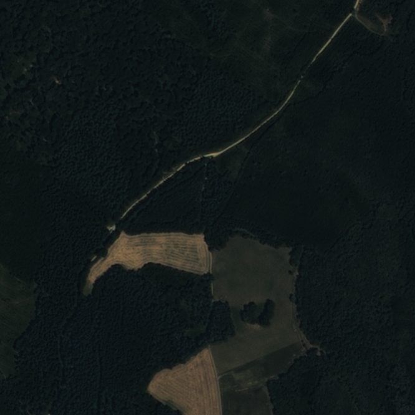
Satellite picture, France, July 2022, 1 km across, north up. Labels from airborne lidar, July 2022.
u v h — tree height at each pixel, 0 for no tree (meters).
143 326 28
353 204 6
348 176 11
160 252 0
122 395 34
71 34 22
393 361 14
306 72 7
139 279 30
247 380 0
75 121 29
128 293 33
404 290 21
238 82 19
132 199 20
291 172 7
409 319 10
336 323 14
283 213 7
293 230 9
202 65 29
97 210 20
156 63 26
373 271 18
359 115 17
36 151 24
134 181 23
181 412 15
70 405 32
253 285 0
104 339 31
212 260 0
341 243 15
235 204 7
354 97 15
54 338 23
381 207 18
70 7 23
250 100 27
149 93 24
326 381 14
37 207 13
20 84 26
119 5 30
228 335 24
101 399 29
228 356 0
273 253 0
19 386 17
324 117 14
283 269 0
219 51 6
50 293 25
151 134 31
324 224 7
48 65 23
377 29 0
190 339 18
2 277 0
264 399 0
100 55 20
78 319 31
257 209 7
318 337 14
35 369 21
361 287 17
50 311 22
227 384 0
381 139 22
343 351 20
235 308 0
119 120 28
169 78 27
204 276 6
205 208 24
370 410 14
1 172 23
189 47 27
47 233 17
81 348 30
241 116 22
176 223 19
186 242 0
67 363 24
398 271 19
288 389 21
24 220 15
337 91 14
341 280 20
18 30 26
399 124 23
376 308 7
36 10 24
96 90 27
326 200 7
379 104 15
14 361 0
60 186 24
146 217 16
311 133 14
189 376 0
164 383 0
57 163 27
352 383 12
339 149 16
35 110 34
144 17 24
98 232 24
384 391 19
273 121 8
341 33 6
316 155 12
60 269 18
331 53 8
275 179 8
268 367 0
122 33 27
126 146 25
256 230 15
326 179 9
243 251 0
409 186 23
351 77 15
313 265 18
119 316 26
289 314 0
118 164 22
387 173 19
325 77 8
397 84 16
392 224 19
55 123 24
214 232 20
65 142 22
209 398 0
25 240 14
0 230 12
